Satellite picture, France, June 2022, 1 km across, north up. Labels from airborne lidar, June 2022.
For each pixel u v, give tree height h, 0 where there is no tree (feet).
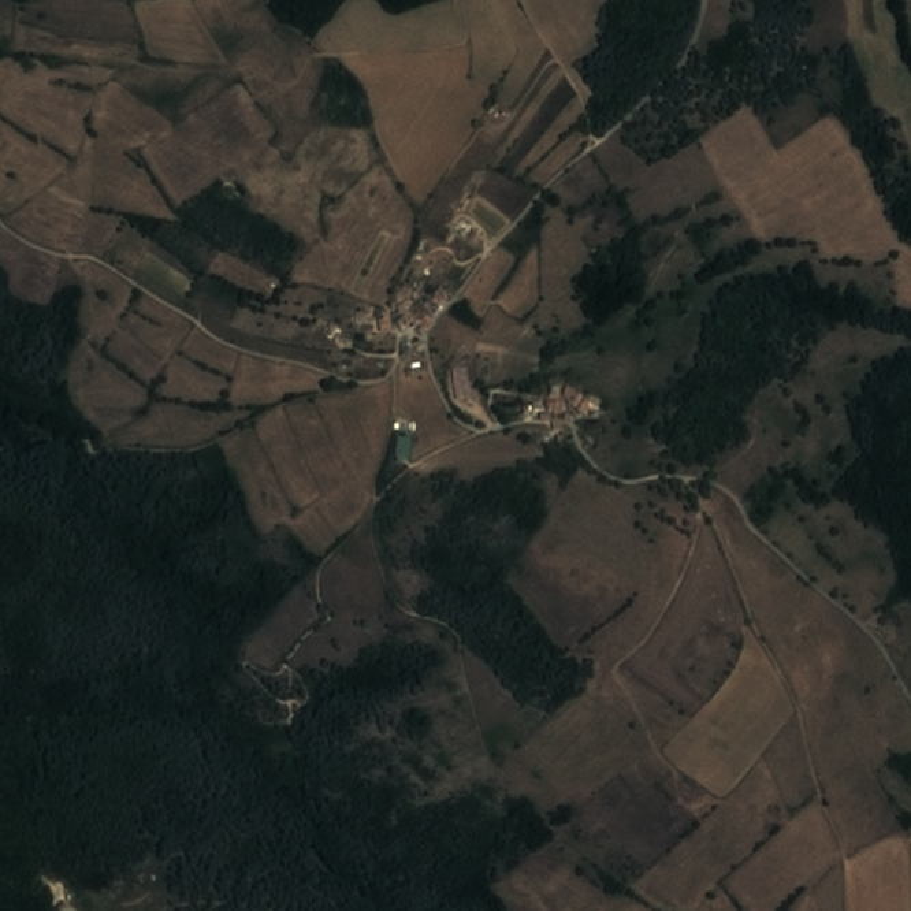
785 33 43
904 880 0
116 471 38
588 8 0
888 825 0
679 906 0
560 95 0
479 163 0
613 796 0
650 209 0
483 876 34
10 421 29
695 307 0
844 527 0
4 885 41
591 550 0
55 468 115
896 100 0
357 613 0
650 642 0
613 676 0
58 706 60
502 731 0
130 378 27
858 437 52
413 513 0
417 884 35
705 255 20
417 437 0
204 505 37
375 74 0
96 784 49
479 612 53
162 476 44
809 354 32
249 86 0
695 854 0
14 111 0
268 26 0
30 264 0
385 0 46
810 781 0
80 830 36
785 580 0
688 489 29
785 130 0
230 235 27
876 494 22
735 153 0
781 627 0
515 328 0
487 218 0
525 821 18
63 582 53
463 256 0
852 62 51
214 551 31
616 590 0
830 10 0
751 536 0
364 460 0
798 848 0
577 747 0
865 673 0
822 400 36
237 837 54
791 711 0
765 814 0
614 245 32
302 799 44
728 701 0
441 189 0
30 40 0
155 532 37
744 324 31
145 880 0
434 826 24
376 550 0
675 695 0
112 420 0
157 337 0
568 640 0
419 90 0
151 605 63
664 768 0
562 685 30
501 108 0
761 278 51
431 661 33
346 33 0
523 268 0
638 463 0
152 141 0
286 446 0
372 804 38
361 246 0
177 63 0
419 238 22
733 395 37
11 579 39
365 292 0
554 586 0
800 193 0
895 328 44
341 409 0
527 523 28
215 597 42
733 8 26
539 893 0
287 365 0
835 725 0
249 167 0
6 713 44
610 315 42
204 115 0
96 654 48
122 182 0
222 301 0
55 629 45
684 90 44
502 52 0
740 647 23
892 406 48
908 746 0
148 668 41
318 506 0
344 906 41
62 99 0
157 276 0
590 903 0
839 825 0
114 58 0
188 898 58
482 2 0
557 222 0
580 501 0
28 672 36
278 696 45
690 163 0
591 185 0
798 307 44
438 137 0
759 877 0
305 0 52
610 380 0
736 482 0
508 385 34
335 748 44
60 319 24
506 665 34
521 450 0
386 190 0
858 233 0
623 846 0
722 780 0
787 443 31
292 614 0
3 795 36
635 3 31
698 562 0
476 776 0
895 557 36
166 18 0
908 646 0
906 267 0
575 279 27
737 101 27
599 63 41
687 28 41
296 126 0
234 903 24
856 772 0
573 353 0
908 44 50
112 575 43
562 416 0
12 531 38
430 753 0
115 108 0
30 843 42
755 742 0
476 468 0
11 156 0
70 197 0
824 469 0
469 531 18
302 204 0
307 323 29
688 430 27
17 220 0
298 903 58
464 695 0
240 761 63
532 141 0
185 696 61
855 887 0
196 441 0
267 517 0
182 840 75
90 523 73
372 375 0
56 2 0
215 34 0
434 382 0
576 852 0
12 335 35
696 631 0
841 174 0
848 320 30
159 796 29
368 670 34
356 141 0
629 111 38
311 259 0
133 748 52
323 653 0
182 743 54
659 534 0
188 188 0
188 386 0
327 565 0
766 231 0
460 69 0
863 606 0
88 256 0
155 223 21
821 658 0
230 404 31
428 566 27
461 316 22
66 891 0
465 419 25
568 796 0
